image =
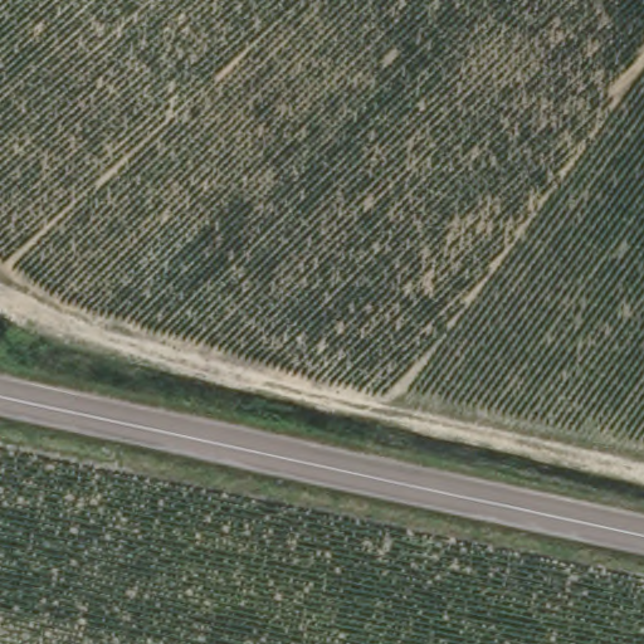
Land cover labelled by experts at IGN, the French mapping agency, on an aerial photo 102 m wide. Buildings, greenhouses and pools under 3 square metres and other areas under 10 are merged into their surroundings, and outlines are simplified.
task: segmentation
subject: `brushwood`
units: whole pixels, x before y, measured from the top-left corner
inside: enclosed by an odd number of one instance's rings
[[[176,413],[204,415],[211,420],[249,425],[279,435],[307,438],[347,450],[387,455],[418,465],[430,465],[488,480],[503,480],[511,486],[536,488],[546,493],[584,498],[644,513],[644,486],[558,463],[533,460],[528,455],[496,450],[488,445],[470,445],[463,440],[423,435],[410,428],[380,423],[372,418],[327,413],[267,392],[236,390],[189,375],[176,375],[143,360],[93,347],[83,340],[78,340],[75,345],[63,345],[58,337],[40,335],[28,325],[15,325],[0,314],[0,372],[25,377],[33,382],[111,395],[151,408],[169,408]]]

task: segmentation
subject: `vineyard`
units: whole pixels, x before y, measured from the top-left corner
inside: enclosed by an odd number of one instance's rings
[[[63,312],[65,304],[78,304],[93,314],[123,317],[151,332],[194,340],[224,350],[244,360],[247,365],[257,362],[267,367],[279,367],[284,372],[302,375],[319,385],[347,385],[362,392],[382,395],[410,370],[418,377],[400,397],[392,400],[392,405],[644,463],[644,70],[621,93],[619,103],[611,101],[609,88],[619,78],[619,73],[624,73],[634,63],[639,48],[644,45],[644,0],[0,0],[0,284],[23,292],[58,312]]]
[[[279,501],[259,493],[231,493],[229,498],[221,498],[219,486],[189,478],[171,480],[166,488],[158,491],[146,491],[143,475],[116,473],[106,468],[78,468],[78,463],[48,455],[38,455],[35,460],[30,460],[28,453],[10,455],[8,445],[0,443],[0,644],[644,644],[644,591],[639,589],[639,574],[626,571],[611,571],[609,576],[579,579],[576,584],[571,584],[566,581],[566,574],[561,569],[541,564],[538,556],[531,551],[526,551],[523,556],[506,556],[506,546],[501,546],[496,551],[475,556],[460,553],[455,546],[455,536],[448,536],[450,546],[438,561],[430,561],[423,558],[423,546],[408,541],[405,528],[392,523],[355,521],[350,516],[342,516],[337,523],[330,523],[330,511],[317,511],[312,506]]]

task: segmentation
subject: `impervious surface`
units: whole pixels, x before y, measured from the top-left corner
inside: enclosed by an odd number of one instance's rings
[[[211,420],[204,415],[176,413],[169,408],[151,408],[111,395],[33,382],[25,377],[0,372],[0,415],[33,425],[70,430],[106,440],[121,440],[199,460],[224,463],[231,468],[244,468],[264,475],[279,475],[299,483],[372,496],[382,501],[408,503],[418,508],[443,511],[463,518],[526,528],[546,536],[609,546],[644,556],[644,513],[584,498],[546,493],[536,488],[511,486],[503,480],[488,480],[430,465],[418,465],[387,455],[347,450],[307,438],[279,435],[249,425]]]

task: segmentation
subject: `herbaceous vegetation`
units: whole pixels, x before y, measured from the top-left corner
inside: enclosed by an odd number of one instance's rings
[[[621,93],[644,70],[644,45],[639,48],[634,63],[624,73],[619,73],[619,78],[609,88],[611,101],[619,103]]]
[[[146,491],[158,491],[166,488],[171,480],[189,478],[219,486],[221,498],[229,498],[231,493],[259,493],[279,501],[312,506],[317,511],[330,511],[330,523],[337,523],[342,516],[350,516],[355,521],[392,523],[405,528],[408,541],[423,546],[423,558],[430,561],[438,561],[450,546],[448,536],[455,536],[455,546],[460,553],[475,556],[496,551],[501,546],[506,546],[506,556],[523,556],[526,551],[531,551],[538,556],[541,564],[561,569],[566,574],[566,581],[571,584],[576,584],[579,579],[609,576],[611,571],[626,571],[639,574],[639,589],[644,591],[644,556],[609,546],[546,536],[526,528],[463,518],[443,511],[418,508],[408,503],[382,501],[372,496],[299,483],[279,475],[264,475],[244,468],[231,468],[224,463],[199,460],[121,440],[106,440],[70,430],[33,425],[0,415],[0,443],[8,445],[10,455],[28,453],[30,460],[35,460],[38,455],[48,455],[78,463],[78,468],[106,468],[116,473],[143,475]]]

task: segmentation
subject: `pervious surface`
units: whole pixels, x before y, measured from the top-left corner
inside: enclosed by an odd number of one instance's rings
[[[410,370],[382,395],[362,392],[347,385],[319,385],[302,375],[284,372],[279,367],[267,367],[257,362],[247,365],[244,360],[224,350],[194,340],[151,332],[123,317],[93,314],[78,304],[65,304],[63,312],[58,312],[23,292],[0,284],[0,314],[15,325],[28,325],[40,335],[58,337],[63,345],[75,345],[78,340],[83,340],[93,347],[143,360],[176,375],[189,375],[236,390],[267,392],[327,413],[372,418],[380,423],[410,428],[423,435],[463,440],[470,445],[488,445],[496,450],[528,455],[533,460],[558,463],[644,486],[644,463],[392,405],[392,400],[400,397],[418,377]]]

